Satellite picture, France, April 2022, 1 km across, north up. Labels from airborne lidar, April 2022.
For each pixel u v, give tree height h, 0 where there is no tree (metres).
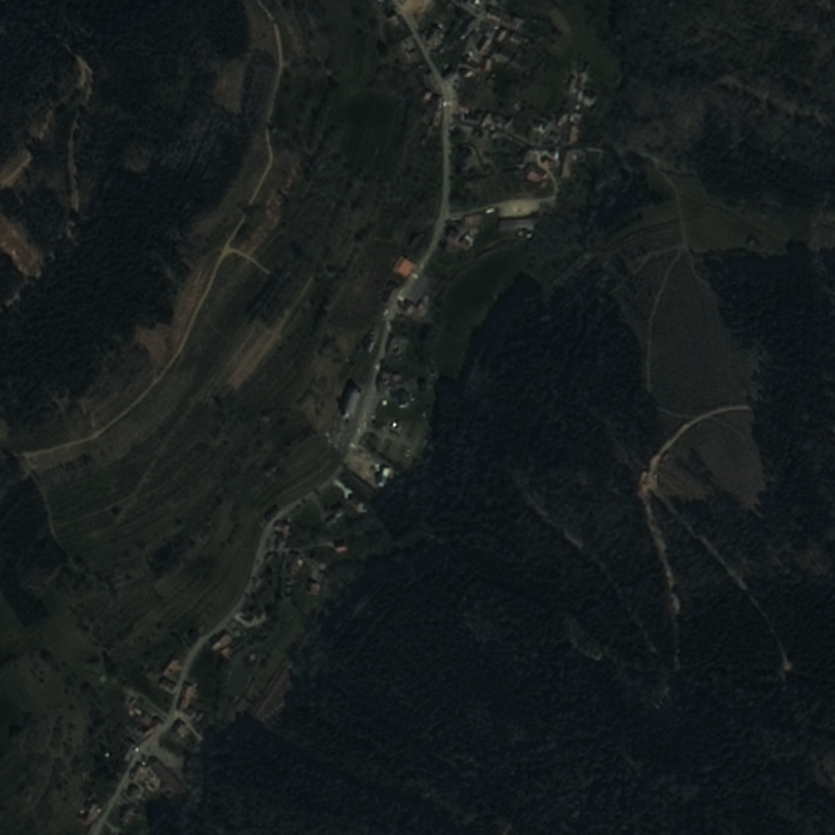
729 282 24
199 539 17
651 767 24
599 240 19
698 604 25
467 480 25
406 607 29
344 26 0
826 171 26
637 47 12
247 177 0
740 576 25
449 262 0
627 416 18
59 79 16
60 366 34
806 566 11
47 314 30
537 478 27
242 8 30
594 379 25
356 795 23
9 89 30
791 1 10
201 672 0
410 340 6
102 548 0
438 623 24
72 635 0
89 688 14
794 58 9
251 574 0
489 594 30
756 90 24
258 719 0
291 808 29
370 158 0
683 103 18
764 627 19
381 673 24
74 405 19
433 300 10
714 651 21
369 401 0
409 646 24
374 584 29
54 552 26
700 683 15
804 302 23
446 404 27
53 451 0
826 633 18
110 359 31
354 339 0
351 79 0
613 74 0
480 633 27
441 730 22
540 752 32
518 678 29
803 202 28
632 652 38
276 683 0
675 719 28
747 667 18
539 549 27
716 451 0
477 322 0
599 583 20
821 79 23
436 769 22
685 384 0
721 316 0
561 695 28
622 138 20
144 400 0
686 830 31
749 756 29
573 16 0
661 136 13
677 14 11
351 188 14
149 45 24
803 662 16
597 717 29
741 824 23
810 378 26
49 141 17
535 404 22
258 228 0
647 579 22
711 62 9
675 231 0
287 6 20
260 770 29
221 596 0
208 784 18
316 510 0
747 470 0
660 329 0
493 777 20
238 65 0
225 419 19
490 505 31
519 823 21
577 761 32
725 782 32
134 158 18
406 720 24
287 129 6
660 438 18
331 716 22
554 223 12
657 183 0
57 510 6
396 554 13
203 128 29
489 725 26
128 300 22
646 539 17
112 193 32
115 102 13
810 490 25
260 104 29
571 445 23
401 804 22
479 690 24
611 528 25
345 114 0
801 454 27
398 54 0
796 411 32
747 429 0
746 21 8
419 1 0
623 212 29
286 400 0
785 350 26
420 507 22
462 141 10
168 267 21
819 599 16
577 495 25
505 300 0
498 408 25
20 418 26
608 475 26
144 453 21
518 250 0
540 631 32
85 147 19
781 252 0
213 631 0
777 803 23
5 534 30
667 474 0
